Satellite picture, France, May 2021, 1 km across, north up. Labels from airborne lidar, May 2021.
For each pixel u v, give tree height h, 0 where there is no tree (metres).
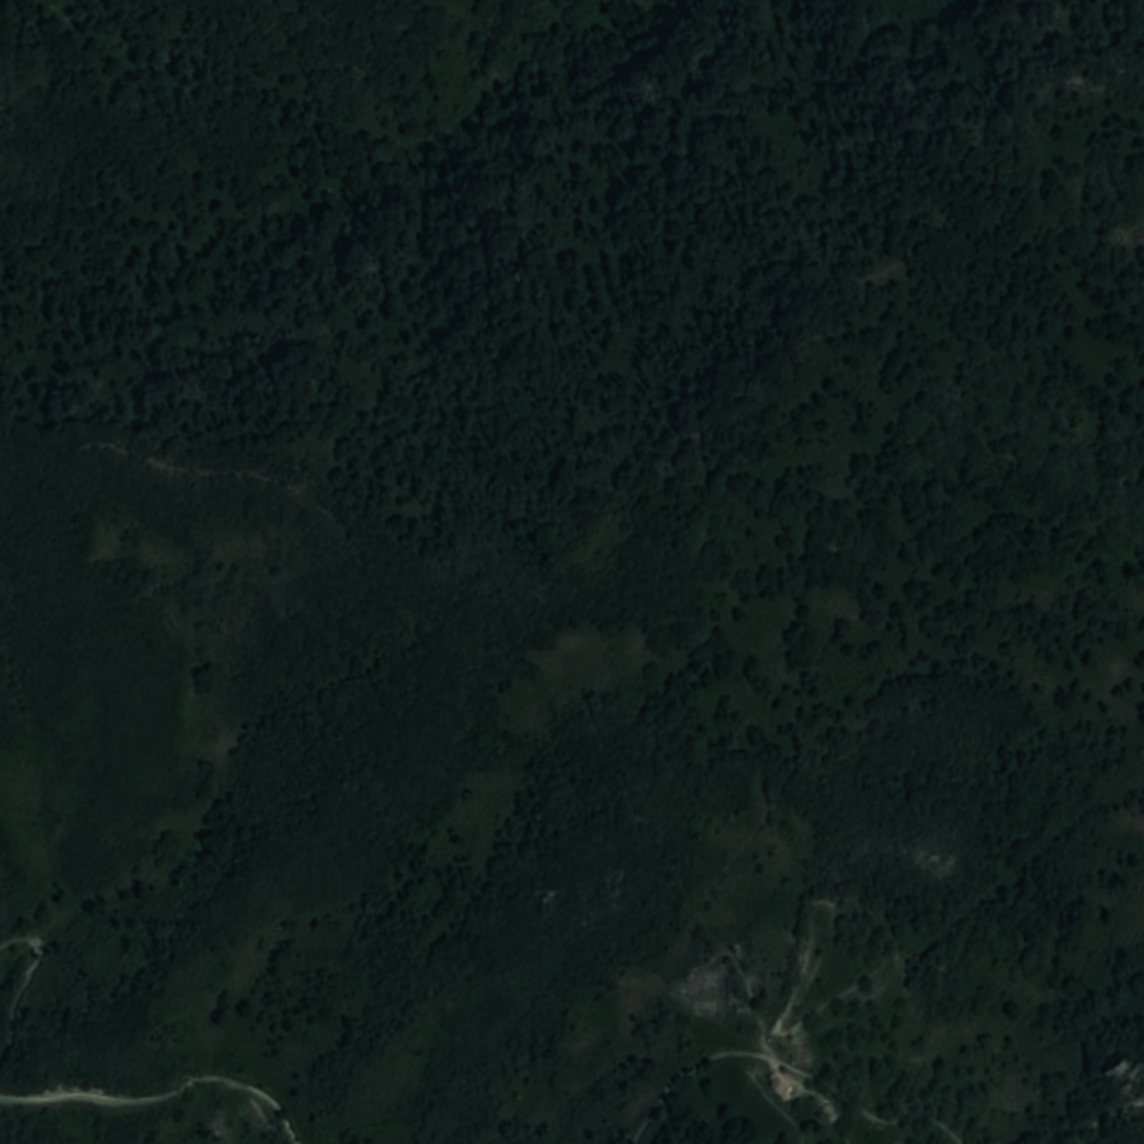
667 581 11
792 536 13
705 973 0
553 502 20
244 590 5
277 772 6
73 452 8
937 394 16
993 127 16
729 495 19
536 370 16
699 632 19
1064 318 18
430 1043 0
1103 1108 9
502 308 20
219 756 0
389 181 23
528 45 15
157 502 7
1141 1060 7
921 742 10
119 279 20
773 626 0
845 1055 15
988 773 17
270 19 23
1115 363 9
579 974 7
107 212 22
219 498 6
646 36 17
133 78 18
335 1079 9
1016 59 6
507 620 9
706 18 16
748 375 15
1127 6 21
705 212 25
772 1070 0
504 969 7
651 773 9
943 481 17
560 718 6
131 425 6
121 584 8
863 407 20
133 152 16
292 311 13
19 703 13
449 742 8
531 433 23
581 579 9
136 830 11
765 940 0
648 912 8
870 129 17
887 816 7
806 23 22
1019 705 13
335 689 10
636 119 7
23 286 28
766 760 9
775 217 19
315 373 19
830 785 8
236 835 15
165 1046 15
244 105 29
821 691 19
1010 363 15
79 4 12
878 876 10
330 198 23
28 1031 11
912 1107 10
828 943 6
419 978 7
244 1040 0
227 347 8
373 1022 8
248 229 15
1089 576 9
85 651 7
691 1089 9
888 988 0
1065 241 15
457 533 16
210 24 18
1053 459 18
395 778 10
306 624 7
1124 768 17
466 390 25
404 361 16
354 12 11
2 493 7
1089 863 6
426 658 11
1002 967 10
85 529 9
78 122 10
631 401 21
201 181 21
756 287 13
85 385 14
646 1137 0
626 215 27
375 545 9
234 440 17
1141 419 23
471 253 22
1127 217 23
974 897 6
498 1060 6
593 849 8
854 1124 10
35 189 15
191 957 7
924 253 20
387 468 24
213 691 12
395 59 23
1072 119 14
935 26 15
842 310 16
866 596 17
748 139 17
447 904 14
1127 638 14
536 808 13
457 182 20
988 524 8
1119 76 15
